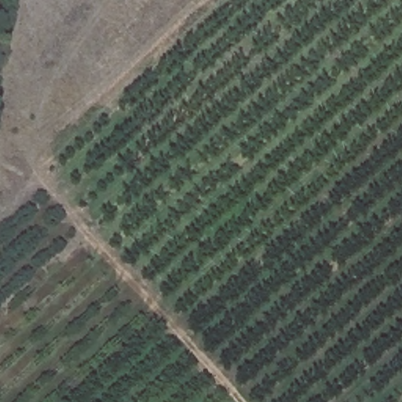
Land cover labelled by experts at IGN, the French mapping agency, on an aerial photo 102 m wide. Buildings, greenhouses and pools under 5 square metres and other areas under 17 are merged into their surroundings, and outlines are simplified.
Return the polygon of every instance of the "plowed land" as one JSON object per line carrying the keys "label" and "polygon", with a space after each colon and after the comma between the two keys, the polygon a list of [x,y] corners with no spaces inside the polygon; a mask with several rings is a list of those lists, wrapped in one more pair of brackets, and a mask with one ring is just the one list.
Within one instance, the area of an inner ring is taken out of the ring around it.
{"label": "plowed land", "polygon": [[170,50],[176,44],[177,30],[184,25],[187,17],[203,6],[209,9],[210,3],[214,0],[20,0],[11,38],[11,55],[2,71],[5,108],[0,121],[0,221],[13,215],[17,207],[27,203],[38,188],[44,188],[53,199],[53,203],[63,206],[66,212],[64,218],[75,228],[75,236],[69,240],[61,253],[49,259],[50,264],[68,261],[77,250],[93,248],[115,269],[118,278],[126,281],[132,291],[140,294],[144,305],[151,311],[159,308],[162,292],[152,292],[151,281],[143,278],[140,270],[135,269],[133,265],[124,264],[116,254],[116,248],[100,239],[99,232],[94,226],[86,226],[83,223],[82,218],[88,214],[88,209],[77,206],[69,198],[69,188],[58,192],[53,163],[58,159],[52,154],[52,141],[60,130],[79,121],[80,116],[91,105],[107,105],[107,102],[119,100],[124,88],[137,79],[138,75],[143,74],[149,61],[155,58],[159,61],[166,50]]}

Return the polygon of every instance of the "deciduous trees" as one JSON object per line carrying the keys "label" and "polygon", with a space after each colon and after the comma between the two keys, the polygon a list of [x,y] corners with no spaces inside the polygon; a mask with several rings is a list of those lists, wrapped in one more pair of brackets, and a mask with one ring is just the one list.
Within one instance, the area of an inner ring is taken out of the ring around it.
{"label": "deciduous trees", "polygon": [[0,121],[5,108],[2,71],[11,55],[11,38],[20,0],[0,0]]}
{"label": "deciduous trees", "polygon": [[64,218],[66,212],[63,206],[53,203],[53,199],[44,188],[38,188],[27,203],[17,207],[13,215],[0,221],[0,402],[234,402],[229,396],[228,389],[215,382],[214,375],[207,369],[199,371],[196,356],[177,339],[177,336],[170,333],[177,327],[193,331],[192,338],[198,342],[199,349],[206,352],[215,364],[223,367],[226,377],[236,385],[237,391],[248,402],[402,402],[402,0],[214,0],[210,3],[209,9],[203,6],[187,17],[184,25],[177,30],[176,44],[170,50],[166,50],[159,61],[155,58],[149,61],[143,74],[138,75],[137,79],[124,88],[119,100],[107,102],[107,105],[91,105],[80,116],[79,121],[60,130],[52,141],[52,154],[58,159],[53,163],[58,192],[69,188],[69,198],[77,206],[88,209],[88,214],[82,218],[83,223],[86,226],[94,226],[99,232],[100,239],[116,248],[116,254],[124,264],[133,265],[135,269],[140,270],[143,278],[151,281],[152,292],[162,292],[159,308],[151,311],[144,305],[140,294],[132,291],[126,281],[118,278],[115,269],[93,248],[77,250],[68,261],[50,264],[49,259],[61,253],[69,240],[75,236],[75,228]]}

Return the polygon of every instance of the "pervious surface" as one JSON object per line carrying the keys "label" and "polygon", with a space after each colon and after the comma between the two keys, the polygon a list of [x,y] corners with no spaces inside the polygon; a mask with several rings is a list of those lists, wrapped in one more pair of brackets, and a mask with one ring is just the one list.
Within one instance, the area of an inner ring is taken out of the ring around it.
{"label": "pervious surface", "polygon": [[198,342],[192,338],[193,331],[177,327],[170,333],[177,336],[177,339],[196,356],[199,371],[207,369],[214,375],[215,382],[228,389],[229,396],[234,402],[248,402],[237,391],[236,385],[226,377],[223,367],[215,364],[206,352],[199,349]]}

